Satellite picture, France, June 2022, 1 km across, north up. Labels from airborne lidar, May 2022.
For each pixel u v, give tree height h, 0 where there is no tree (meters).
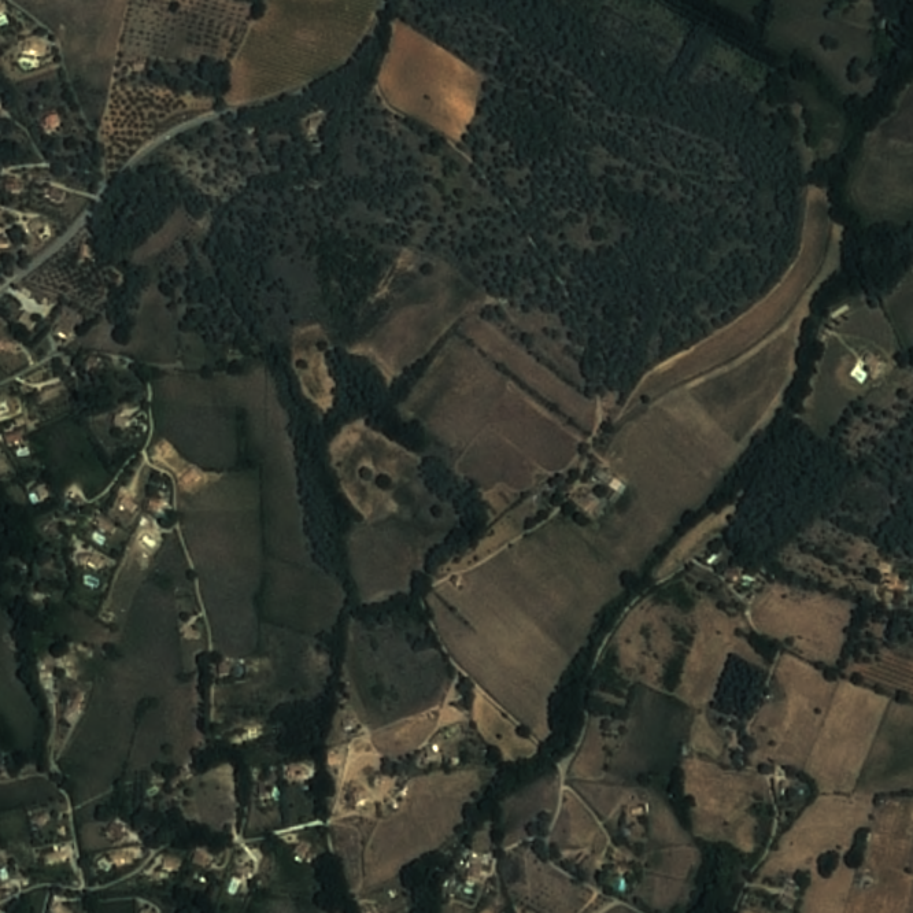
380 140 8
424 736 0
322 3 0
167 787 6
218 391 0
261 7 14
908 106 0
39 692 19
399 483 0
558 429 0
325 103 13
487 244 6
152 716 0
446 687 0
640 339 16
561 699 18
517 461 0
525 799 0
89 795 0
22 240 13
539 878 0
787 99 22
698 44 16
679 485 0
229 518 0
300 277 0
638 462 0
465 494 19
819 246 0
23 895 10
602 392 19
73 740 0
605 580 0
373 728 0
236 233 12
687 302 12
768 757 0
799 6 0
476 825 17
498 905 0
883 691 9
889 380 0
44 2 0
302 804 0
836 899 0
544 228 16
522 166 13
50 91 15
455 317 0
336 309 10
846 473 20
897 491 16
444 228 12
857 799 0
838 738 0
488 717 0
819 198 0
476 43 15
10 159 21
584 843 0
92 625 0
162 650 0
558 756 10
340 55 0
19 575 9
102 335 0
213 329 10
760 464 16
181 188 13
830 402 0
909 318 0
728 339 0
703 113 19
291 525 0
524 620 0
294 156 18
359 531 0
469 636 0
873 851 0
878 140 0
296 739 14
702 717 0
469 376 0
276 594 0
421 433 13
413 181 10
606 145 12
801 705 0
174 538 0
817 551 9
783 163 19
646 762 0
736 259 9
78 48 0
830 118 0
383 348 0
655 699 0
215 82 23
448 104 0
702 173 12
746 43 30
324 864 16
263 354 12
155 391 0
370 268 9
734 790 0
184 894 20
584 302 13
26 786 0
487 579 0
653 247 12
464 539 16
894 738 0
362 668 0
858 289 14
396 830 0
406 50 0
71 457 0
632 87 18
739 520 18
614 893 6
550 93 17
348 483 0
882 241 20
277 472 0
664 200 14
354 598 9
